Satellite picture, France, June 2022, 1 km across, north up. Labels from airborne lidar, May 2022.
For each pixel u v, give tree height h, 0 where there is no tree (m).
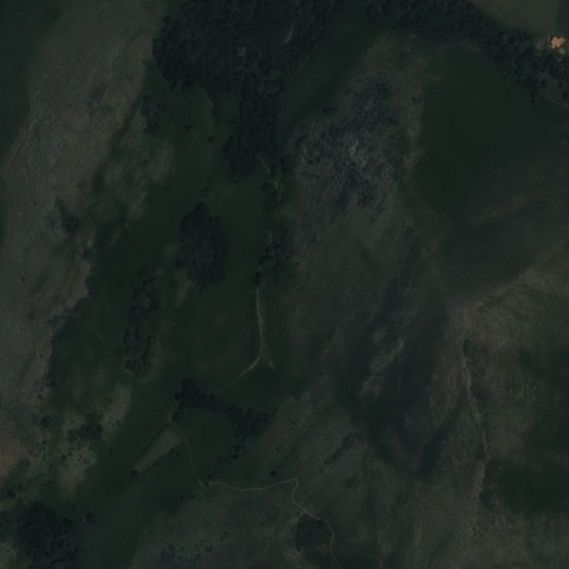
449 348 0
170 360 0
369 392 0
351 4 0
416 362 0
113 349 0
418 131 0
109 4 0
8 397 0
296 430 0
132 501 0
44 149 0
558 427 0
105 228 0
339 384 0
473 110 0
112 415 0
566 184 0
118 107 0
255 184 0
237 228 0
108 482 0
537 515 0
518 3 0
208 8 20
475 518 0
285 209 0
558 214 0
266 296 0
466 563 0
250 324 0
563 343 0
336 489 0
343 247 0
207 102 0
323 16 13
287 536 0
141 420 0
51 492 0
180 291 0
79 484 0
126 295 0
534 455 0
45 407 0
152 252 0
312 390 0
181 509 0
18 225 0
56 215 0
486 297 0
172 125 0
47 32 0
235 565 0
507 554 0
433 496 0
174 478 0
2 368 0
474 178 0
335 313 0
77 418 0
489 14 0
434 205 0
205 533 0
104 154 0
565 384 0
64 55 0
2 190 0
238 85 19
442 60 0
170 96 0
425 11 16
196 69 15
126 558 0
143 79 0
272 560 0
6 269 0
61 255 0
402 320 0
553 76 8
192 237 19
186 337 0
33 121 0
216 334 0
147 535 0
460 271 0
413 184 0
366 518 0
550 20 0
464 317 0
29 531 20
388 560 0
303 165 0
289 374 0
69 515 0
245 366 0
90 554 0
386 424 0
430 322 0
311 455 0
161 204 0
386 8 20
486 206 0
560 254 0
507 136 0
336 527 0
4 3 0
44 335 0
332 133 7
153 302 15
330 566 0
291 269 0
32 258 0
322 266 0
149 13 0
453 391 0
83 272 0
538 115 0
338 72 0
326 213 0
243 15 16
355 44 0
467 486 0
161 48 15
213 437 0
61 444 0
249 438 19
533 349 0
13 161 0
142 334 13
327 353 0
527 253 0
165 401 0
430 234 0
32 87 0
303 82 0
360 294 0
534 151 0
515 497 0
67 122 0
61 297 0
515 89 0
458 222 0
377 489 0
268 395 0
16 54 0
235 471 0
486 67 0
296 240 0
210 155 0
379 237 0
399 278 0
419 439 0
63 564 12
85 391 0
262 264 19
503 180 0
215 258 15
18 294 0
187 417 0
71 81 0
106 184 0
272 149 14
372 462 0
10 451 0
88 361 0
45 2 0
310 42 18
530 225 0
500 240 0
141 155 0
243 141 18
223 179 0
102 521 0
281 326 0
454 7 12
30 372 0
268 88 28
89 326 0
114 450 7
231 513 0
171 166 0
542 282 0
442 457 0
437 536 0
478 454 0
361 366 0
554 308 0
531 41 15
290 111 0
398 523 0
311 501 0
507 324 0
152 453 0
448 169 0
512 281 0
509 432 0
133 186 0
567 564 0
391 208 0
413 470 0
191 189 0
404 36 0
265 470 0
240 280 0
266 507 0
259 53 21
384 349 0
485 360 0
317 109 0
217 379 0
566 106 0
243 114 17
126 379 0
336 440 0
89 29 0
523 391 0
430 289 0
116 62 0
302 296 0
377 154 0
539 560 0
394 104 0
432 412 0
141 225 0
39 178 0
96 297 0
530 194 0
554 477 0
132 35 0
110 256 0
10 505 0
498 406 0
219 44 16
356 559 0
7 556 0
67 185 0
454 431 0
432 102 0
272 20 11
